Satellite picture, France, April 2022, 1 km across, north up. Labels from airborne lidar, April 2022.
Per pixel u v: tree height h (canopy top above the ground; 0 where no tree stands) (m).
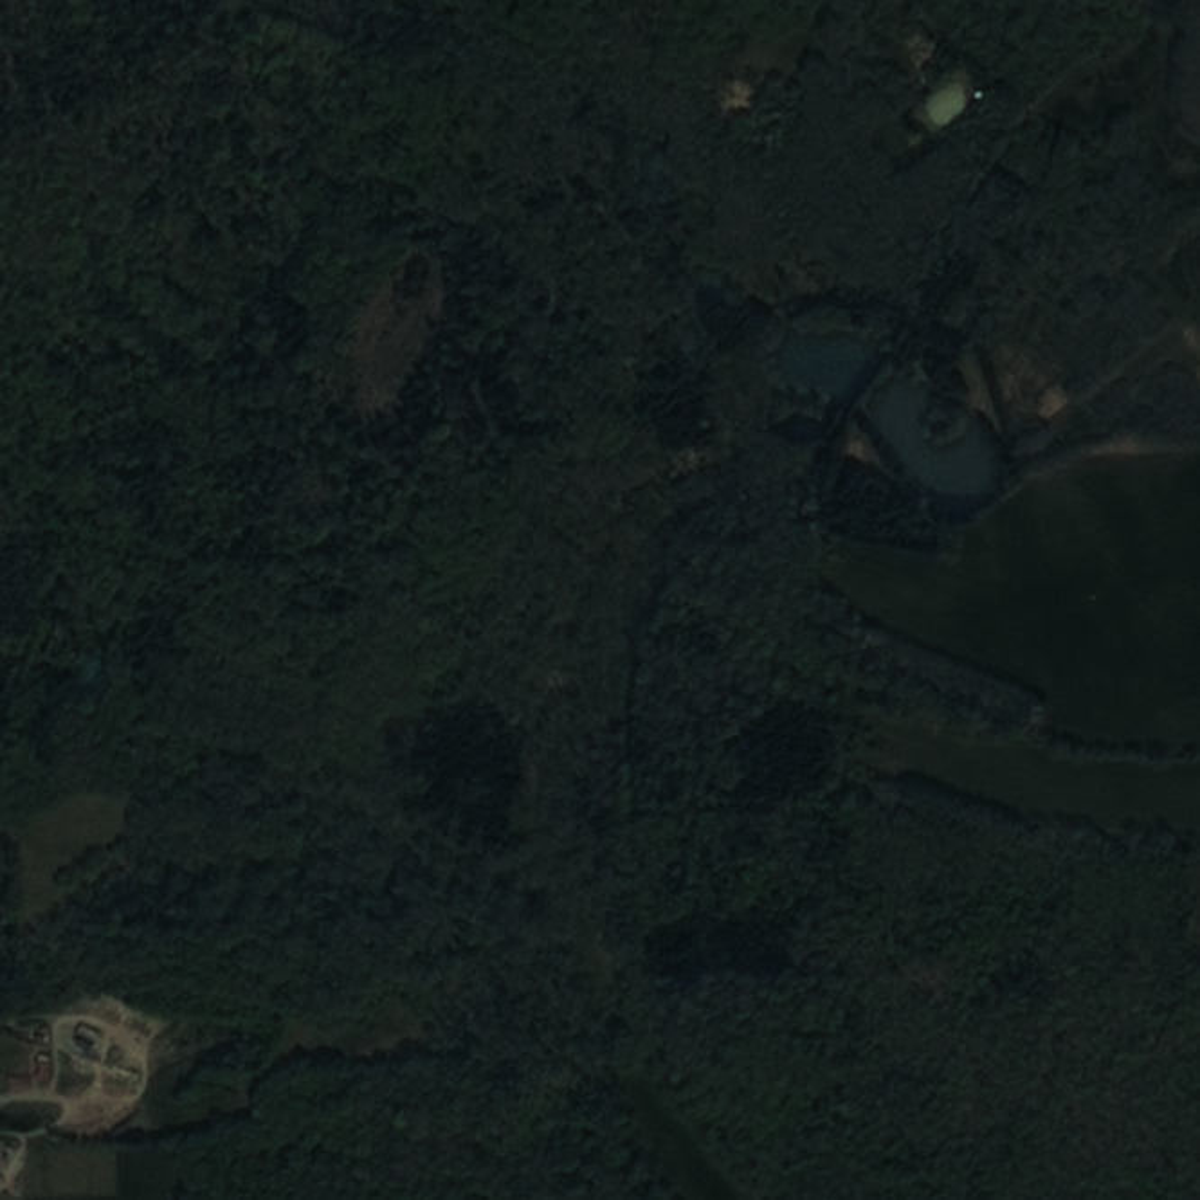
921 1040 19
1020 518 0
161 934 30
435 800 16
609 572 26
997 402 11
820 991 26
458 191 28
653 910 20
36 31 34
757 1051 24
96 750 29
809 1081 22
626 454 17
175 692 24
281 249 30
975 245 24
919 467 0
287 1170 20
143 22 32
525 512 17
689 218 11
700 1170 0
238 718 25
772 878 18
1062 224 15
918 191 21
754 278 0
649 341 14
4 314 28
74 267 31
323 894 24
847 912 21
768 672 22
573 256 19
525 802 11
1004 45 10
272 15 32
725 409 22
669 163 17
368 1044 0
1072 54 11
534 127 21
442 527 27
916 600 0
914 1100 23
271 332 29
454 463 26
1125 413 9
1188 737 0
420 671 26
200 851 30
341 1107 15
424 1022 7
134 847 17
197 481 25
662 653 22
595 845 32
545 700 10
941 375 20
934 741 0
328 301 30
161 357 29
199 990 15
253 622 23
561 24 25
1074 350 11
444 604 14
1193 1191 23
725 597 28
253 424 30
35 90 32
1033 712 20
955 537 16
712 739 22
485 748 15
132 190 27
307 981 25
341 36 32
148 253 27
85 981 12
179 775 16
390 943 25
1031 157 10
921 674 19
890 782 15
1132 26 20
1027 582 0
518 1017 24
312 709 23
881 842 19
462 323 18
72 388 25
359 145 21
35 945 23
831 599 24
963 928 20
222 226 9
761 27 17
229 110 27
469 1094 25
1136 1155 24
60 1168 0
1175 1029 23
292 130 29
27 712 25
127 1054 0
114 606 27
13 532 26
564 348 16
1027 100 9
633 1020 18
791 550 32
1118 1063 23
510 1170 27
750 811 19
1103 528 0
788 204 15
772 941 7
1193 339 0
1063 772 0
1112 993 23
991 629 0
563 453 19
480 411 10
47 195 28
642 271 12
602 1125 22
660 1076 21
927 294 23
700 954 8
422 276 10
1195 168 0
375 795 27
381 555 28
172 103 28
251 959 26
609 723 8
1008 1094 22
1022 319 7
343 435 29
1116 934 17
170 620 14
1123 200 26
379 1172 26
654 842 22
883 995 22
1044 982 22
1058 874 19
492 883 24
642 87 21
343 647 22
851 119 27
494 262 25
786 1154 21
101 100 22
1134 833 16
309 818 15
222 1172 24
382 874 31
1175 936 19
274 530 17
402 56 23
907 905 21
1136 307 26
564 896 23
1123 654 0
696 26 13
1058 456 18
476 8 29
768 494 25
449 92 27
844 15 21
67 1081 0
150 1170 0
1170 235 25
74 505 25
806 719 19
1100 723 0
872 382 20
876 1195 13
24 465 27
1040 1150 20
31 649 10
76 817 0
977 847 18
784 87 13
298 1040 0
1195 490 0
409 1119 24
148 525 20
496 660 21
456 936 26
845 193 22
